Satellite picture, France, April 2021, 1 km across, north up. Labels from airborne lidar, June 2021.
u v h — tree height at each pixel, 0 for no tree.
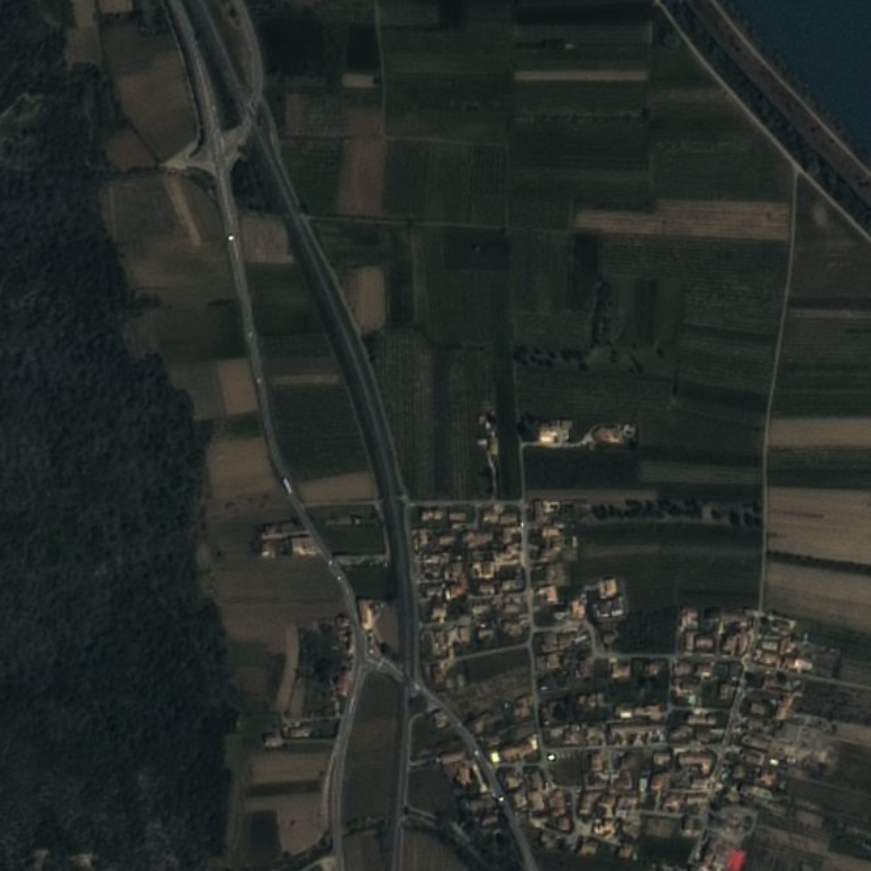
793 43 0
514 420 0
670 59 0
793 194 0
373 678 0
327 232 0
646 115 8
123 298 7
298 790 0
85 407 16
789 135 16
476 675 0
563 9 0
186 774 11
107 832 8
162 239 0
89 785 8
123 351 8
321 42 0
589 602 0
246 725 0
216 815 11
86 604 16
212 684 11
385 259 0
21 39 8
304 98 0
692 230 0
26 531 10
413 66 0
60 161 11
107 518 9
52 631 11
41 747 8
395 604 12
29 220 10
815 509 0
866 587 0
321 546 0
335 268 0
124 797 8
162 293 0
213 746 14
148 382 15
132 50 0
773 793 6
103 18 12
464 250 0
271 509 0
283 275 0
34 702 10
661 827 0
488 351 6
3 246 10
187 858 11
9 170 6
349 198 0
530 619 0
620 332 0
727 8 7
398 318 0
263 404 0
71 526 12
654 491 0
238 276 0
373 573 0
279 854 0
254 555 0
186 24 0
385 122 0
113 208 0
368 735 0
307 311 0
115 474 16
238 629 0
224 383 0
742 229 0
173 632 12
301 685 0
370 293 0
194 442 18
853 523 0
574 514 6
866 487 0
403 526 0
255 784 0
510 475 0
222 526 0
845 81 0
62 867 7
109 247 8
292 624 0
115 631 9
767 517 0
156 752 7
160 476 15
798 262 0
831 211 0
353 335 0
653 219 0
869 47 0
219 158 0
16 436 12
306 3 0
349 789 0
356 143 0
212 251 0
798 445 0
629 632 5
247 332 0
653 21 11
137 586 7
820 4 0
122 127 9
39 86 9
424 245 0
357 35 0
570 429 5
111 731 7
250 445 0
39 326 6
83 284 7
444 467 0
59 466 16
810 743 0
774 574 0
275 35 0
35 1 6
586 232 0
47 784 6
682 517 9
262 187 12
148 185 0
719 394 0
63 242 10
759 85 0
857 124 0
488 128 0
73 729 15
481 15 0
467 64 0
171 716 13
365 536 0
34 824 7
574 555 0
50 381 11
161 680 10
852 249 0
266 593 0
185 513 15
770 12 0
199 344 0
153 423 14
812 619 0
